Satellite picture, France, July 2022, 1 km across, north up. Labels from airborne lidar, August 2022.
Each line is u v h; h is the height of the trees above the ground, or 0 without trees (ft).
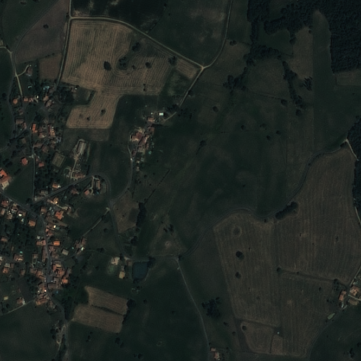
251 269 0
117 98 0
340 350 0
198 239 0
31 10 0
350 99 0
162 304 0
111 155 0
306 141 0
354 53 68
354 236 0
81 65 0
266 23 52
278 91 0
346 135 0
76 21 0
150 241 0
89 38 0
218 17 0
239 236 0
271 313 0
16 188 0
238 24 0
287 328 0
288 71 43
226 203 0
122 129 0
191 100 0
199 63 0
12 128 0
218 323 0
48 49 0
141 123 0
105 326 0
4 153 0
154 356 0
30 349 0
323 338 0
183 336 0
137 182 19
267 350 0
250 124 0
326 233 0
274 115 0
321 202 0
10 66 0
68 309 28
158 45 0
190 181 0
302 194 0
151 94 0
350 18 51
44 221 0
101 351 0
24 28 0
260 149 0
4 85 0
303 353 0
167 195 0
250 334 0
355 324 0
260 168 0
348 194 0
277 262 0
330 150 0
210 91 0
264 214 0
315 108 0
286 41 0
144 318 0
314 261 0
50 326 0
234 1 0
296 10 52
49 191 37
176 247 0
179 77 0
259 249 0
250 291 0
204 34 0
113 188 0
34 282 31
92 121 0
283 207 0
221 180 0
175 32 0
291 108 0
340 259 0
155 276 0
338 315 0
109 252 0
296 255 0
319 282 0
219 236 0
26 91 0
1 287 0
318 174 0
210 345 21
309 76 0
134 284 23
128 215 0
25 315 0
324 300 0
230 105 0
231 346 0
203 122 0
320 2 43
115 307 0
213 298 0
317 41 0
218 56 0
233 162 0
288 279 0
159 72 0
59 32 0
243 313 0
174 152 0
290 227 0
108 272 0
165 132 0
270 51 64
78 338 0
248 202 0
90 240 0
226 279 0
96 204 0
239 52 0
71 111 0
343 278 0
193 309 0
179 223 0
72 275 40
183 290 0
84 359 0
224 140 0
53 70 0
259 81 0
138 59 0
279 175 0
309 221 0
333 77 0
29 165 0
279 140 0
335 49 53
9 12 0
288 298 0
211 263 0
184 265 0
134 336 0
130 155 0
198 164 0
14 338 0
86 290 0
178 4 0
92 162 0
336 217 0
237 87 57
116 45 0
